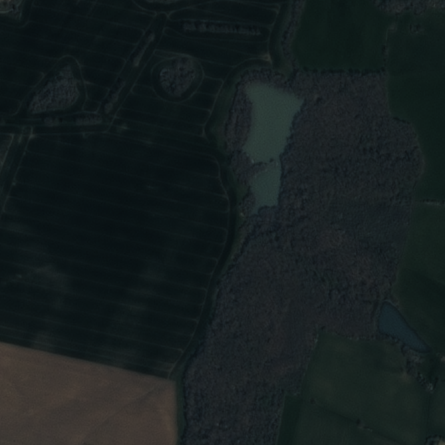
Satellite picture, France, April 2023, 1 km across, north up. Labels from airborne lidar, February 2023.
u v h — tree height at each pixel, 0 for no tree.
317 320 10
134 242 0
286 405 0
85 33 0
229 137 16
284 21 0
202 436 8
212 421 21
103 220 0
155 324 0
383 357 0
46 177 0
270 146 0
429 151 0
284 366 11
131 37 0
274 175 0
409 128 13
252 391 7
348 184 23
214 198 0
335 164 20
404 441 0
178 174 0
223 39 0
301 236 17
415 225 0
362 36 0
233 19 0
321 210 15
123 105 0
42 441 0
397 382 0
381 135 22
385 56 14
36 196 0
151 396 0
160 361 0
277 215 16
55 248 0
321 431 0
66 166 0
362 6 0
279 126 0
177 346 0
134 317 0
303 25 0
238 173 16
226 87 0
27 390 0
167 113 0
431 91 0
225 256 0
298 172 21
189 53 0
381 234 7
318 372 0
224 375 15
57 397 0
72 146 0
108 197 0
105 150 0
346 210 7
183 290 0
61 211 0
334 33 0
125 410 0
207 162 0
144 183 0
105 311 0
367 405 0
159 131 0
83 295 0
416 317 0
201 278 0
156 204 0
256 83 13
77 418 0
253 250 21
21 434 0
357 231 6
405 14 0
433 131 0
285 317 12
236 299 10
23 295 0
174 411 0
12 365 0
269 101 0
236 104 10
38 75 0
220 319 13
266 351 13
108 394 0
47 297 0
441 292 0
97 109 0
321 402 0
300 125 15
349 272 21
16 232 0
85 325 0
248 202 10
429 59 0
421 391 0
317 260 18
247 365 16
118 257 0
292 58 19
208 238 0
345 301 16
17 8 13
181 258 0
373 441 0
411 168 19
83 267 0
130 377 0
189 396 19
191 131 0
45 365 0
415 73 0
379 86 18
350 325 11
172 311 0
